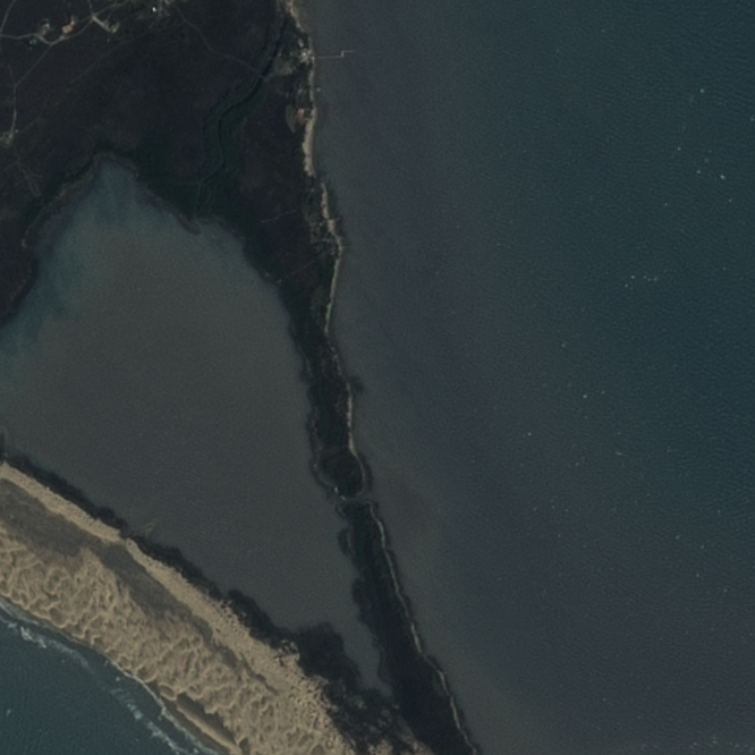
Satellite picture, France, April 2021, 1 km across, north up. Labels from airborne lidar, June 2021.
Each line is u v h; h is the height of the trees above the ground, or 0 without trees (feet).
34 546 0
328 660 0
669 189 0
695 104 0
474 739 0
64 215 0
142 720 0
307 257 0
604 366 0
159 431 0
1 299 0
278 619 0
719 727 0
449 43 0
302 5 0
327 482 0
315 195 20
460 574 0
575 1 0
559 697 0
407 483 0
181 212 0
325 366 0
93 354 0
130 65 0
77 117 0
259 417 0
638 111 0
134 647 0
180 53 0
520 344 0
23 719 0
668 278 0
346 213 0
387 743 0
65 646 0
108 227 0
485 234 0
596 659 0
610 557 0
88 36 0
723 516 0
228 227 0
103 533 0
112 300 0
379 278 0
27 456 0
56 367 0
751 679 0
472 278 0
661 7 0
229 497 0
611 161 0
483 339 0
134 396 0
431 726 0
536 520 0
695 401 0
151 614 0
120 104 0
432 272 0
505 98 0
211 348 0
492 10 0
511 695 0
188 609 0
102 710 0
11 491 0
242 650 0
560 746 0
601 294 0
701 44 0
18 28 0
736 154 0
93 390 0
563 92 0
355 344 0
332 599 0
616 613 0
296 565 0
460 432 0
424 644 0
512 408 0
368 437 0
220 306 0
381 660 0
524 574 0
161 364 0
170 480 0
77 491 0
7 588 0
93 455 0
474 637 0
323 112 0
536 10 0
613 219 0
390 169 0
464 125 0
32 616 0
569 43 0
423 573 0
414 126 0
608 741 0
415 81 0
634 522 0
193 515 0
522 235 0
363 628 0
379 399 0
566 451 0
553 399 0
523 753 0
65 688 0
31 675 0
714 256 0
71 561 0
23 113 0
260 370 0
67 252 0
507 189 0
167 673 0
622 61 0
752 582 0
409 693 0
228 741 0
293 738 0
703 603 0
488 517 0
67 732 0
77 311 0
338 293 0
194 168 0
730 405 0
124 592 0
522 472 0
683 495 0
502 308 0
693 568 0
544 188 0
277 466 0
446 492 0
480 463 0
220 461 0
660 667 0
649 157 0
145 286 0
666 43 0
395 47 0
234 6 0
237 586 0
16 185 0
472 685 0
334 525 0
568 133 0
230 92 26
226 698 0
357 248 0
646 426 0
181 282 0
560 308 0
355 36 0
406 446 0
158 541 0
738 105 0
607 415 0
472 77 0
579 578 0
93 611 0
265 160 0
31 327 0
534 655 0
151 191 0
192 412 0
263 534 0
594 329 0
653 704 0
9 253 0
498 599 0
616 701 0
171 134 0
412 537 0
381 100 0
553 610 0
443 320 0
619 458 0
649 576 0
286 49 20
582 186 0
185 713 0
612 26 0
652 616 0
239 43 0
